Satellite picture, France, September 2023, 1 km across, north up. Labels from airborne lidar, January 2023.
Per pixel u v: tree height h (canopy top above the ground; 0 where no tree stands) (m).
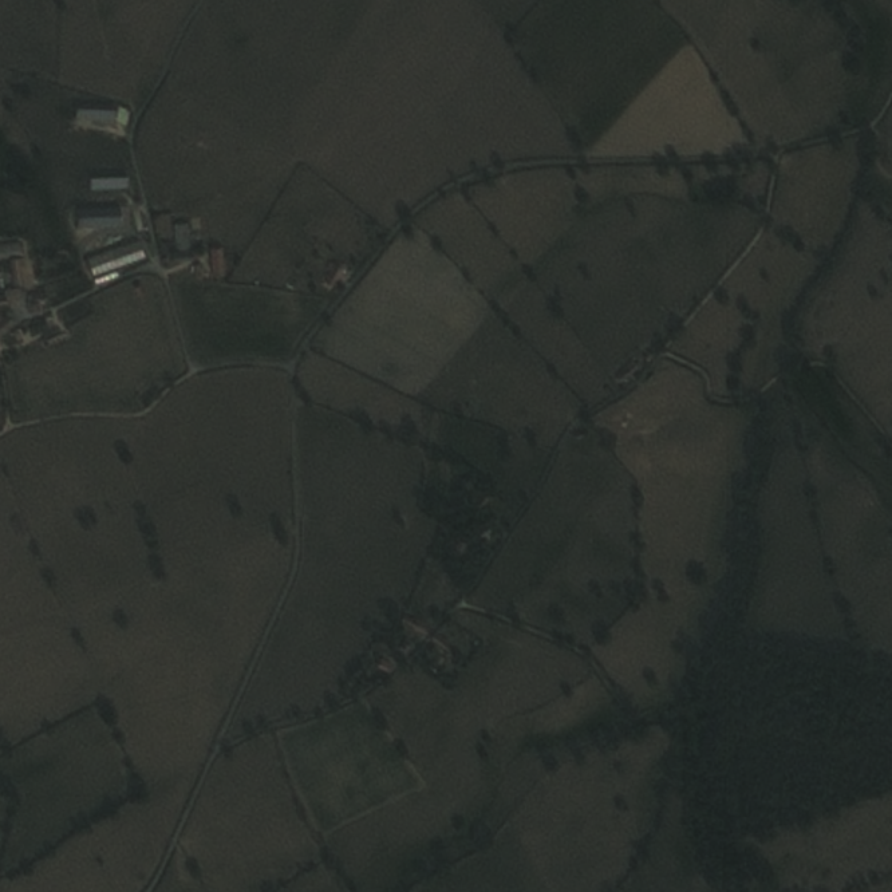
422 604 0
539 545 0
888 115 0
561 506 0
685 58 0
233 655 0
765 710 9
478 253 0
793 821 15
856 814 0
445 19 0
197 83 0
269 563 0
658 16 0
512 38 10
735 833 25
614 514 0
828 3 16
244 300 0
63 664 0
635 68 0
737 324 0
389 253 0
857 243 0
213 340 0
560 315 13
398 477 0
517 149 0
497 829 0
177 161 0
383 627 6
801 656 12
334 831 0
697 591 0
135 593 0
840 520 0
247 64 0
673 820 0
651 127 0
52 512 0
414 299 0
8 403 11
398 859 0
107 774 0
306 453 0
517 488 0
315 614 0
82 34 0
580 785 0
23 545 0
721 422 0
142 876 0
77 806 0
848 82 0
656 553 0
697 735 0
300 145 0
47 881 0
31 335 0
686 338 0
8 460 0
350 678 10
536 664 0
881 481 0
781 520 0
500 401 0
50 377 0
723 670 15
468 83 0
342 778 0
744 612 15
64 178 0
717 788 21
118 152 0
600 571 0
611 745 13
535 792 0
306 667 0
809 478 0
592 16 0
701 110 0
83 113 0
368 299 0
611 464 0
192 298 0
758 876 25
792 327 16
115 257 0
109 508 10
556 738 0
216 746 0
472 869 0
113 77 0
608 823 0
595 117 0
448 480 0
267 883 0
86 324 0
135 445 0
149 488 0
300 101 0
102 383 0
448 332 0
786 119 0
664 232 0
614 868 0
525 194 0
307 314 0
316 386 0
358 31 0
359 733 0
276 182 0
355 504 0
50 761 0
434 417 20
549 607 0
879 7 0
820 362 0
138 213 0
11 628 0
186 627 0
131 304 0
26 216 0
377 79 0
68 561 0
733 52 0
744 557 20
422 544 0
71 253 6
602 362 0
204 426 0
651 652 0
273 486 0
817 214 0
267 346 0
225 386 0
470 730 0
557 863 0
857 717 8
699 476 0
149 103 0
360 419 14
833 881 0
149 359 0
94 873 0
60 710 0
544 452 0
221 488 0
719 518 0
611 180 0
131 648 0
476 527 15
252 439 0
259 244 0
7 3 0
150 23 0
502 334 0
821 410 0
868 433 0
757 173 0
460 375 0
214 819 0
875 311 0
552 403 0
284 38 0
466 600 0
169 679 0
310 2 0
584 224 0
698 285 0
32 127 0
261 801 0
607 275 0
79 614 0
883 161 0
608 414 0
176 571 0
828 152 0
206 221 0
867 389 0
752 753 0
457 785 0
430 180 0
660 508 0
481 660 0
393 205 0
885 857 0
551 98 0
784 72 0
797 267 0
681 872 0
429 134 0
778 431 0
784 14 0
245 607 0
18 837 0
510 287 0
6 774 0
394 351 0
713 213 0
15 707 0
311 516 0
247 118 0
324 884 0
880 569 0
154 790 0
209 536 0
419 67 0
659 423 0
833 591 0
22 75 0
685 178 12
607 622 0
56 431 0
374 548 0
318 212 0
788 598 0
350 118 0
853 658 18
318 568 0
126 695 0
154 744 0
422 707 0
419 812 0
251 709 0
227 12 0
